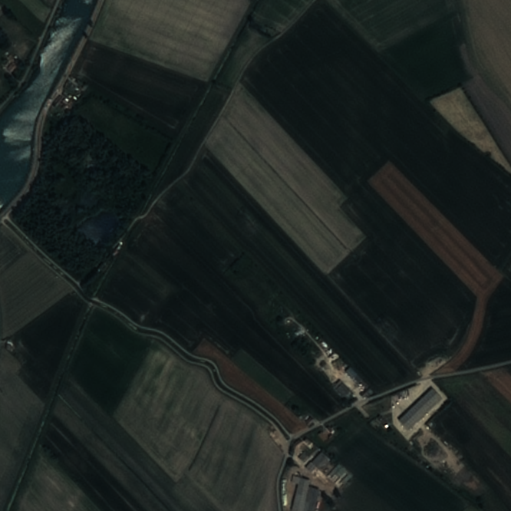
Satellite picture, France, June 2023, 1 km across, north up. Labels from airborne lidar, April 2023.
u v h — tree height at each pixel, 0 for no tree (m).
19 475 0
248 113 0
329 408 0
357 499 0
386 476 0
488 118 0
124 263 0
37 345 0
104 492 0
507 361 0
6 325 0
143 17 0
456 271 0
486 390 0
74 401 0
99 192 9
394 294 0
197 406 0
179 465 0
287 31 0
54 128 11
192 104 0
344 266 0
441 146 0
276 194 0
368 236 0
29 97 0
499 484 0
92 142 18
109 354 0
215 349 0
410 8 0
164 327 0
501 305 0
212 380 0
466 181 0
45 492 0
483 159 0
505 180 0
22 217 12
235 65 0
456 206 0
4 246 0
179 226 0
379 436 0
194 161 0
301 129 0
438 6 0
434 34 0
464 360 0
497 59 0
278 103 0
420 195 0
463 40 0
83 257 16
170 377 0
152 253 0
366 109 0
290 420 0
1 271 0
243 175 0
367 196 0
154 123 0
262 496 0
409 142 0
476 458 0
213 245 0
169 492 0
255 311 0
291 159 0
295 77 0
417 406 0
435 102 0
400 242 0
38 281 0
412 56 0
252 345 0
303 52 0
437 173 0
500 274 0
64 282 0
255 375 0
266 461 0
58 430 0
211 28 0
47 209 17
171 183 0
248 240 0
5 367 0
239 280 0
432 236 0
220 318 0
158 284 0
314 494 0
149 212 0
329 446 0
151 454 0
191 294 0
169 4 0
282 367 0
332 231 0
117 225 15
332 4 0
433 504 0
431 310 0
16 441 0
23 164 0
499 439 0
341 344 0
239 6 0
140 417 0
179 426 0
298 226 0
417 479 0
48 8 0
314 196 0
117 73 0
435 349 0
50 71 0
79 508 0
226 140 0
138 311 0
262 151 0
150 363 0
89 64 0
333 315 0
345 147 0
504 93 0
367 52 0
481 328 0
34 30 0
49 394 0
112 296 0
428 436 0
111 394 0
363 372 0
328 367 0
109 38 0
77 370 0
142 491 0
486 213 0
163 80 0
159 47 0
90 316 0
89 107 0
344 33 0
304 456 0
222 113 0
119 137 0
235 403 0
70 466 0
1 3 0
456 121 0
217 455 0
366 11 0
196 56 0
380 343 0
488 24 0
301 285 0
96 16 0
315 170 0
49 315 0
